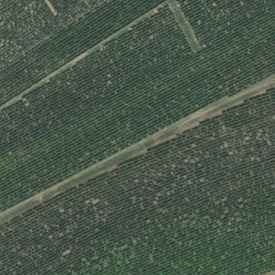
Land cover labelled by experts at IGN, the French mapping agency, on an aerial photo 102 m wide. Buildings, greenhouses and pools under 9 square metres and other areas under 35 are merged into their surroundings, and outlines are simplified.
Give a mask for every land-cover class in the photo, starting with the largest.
<instances>
[{"label":"vineyard","instance_id":"1","mask_svg":"<svg viewBox=\"0 0 275 275\"><path fill-rule=\"evenodd\" d=\"M0 275H275V0H0Z\"/></svg>","mask_w":275,"mask_h":275}]
</instances>
